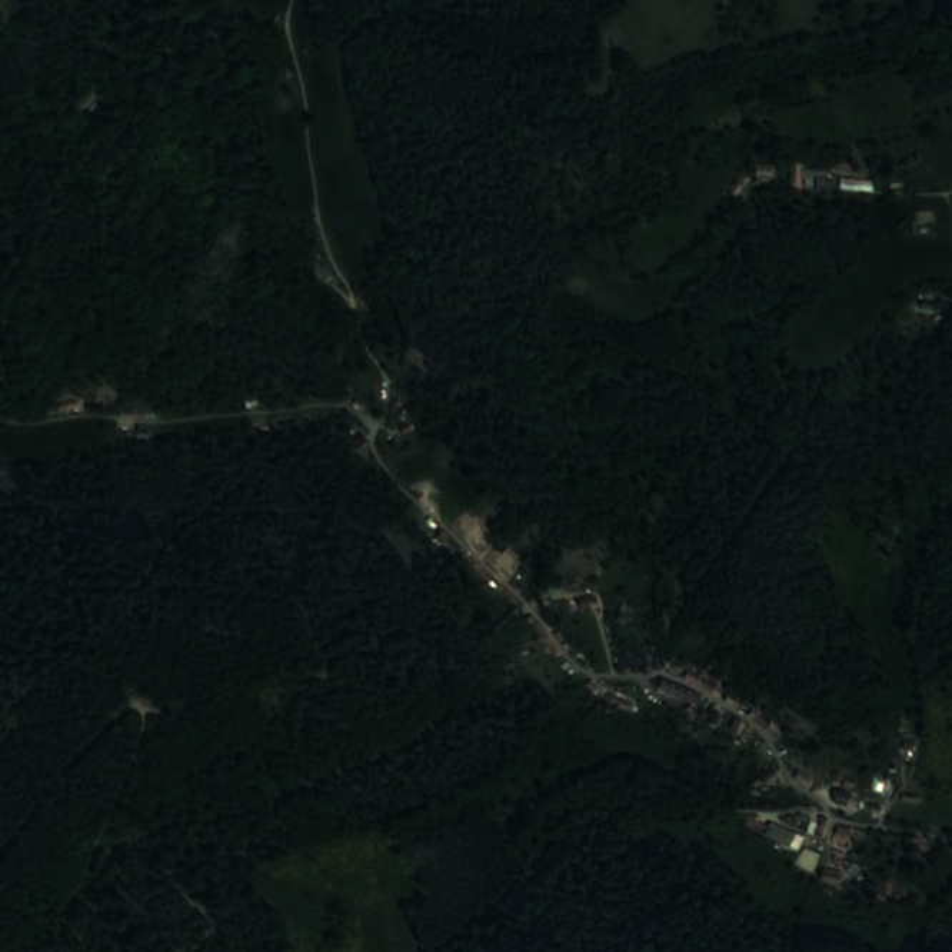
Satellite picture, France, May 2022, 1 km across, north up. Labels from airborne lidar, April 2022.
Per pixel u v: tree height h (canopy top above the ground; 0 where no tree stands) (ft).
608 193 19
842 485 87
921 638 75
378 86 55
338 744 34
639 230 0
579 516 20
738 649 69
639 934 98
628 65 52
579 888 71
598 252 0
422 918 96
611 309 0
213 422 0
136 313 69
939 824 0
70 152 68
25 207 17
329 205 0
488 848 72
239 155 99
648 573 0
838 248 81
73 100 60
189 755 36
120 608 97
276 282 78
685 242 0
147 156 72
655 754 0
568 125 52
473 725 95
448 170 108
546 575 68
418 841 82
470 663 79
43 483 92
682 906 109
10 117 62
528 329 59
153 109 76
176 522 38
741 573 72
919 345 30
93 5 41
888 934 22
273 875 0
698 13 0
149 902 108
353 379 0
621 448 86
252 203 78
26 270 49
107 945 90
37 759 55
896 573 19
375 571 84
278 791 22
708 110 0
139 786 41
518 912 152
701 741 0
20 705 22
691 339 46
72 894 24
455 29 49
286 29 0
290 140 0
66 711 41
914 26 62
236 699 37
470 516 0
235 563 102
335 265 0
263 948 92
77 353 67
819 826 0
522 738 89
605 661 0
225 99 77
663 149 25
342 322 25
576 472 61
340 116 0
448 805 72
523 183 39
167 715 70
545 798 120
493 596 0
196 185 80
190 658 38
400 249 84
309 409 0
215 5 111
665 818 61
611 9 73
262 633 36
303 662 28
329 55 0
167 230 25
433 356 95
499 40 60
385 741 42
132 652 37
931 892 0
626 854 68
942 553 69
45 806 52
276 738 41
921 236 0
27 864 47
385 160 51
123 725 37
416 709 38
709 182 0
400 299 52
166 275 52
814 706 60
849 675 81
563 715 0
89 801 50
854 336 0
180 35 82
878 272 0
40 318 61
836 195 27
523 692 44
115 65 97
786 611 70
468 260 75
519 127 73
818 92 0
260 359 92
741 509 84
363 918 0
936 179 0
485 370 53
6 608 49
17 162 64
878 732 40
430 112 61
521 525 63
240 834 89
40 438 0
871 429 83
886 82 0
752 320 88
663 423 84
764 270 93
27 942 26
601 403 88
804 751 48
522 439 64
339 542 79
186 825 87
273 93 0
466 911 77
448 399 43
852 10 72
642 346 33
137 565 110
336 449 44
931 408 81
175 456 47
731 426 77
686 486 89
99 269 53
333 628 61
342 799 89
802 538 60
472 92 64
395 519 38
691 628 34
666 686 0
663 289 0
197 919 88
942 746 0
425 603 75
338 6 88
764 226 89
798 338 0
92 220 47
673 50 0
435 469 0
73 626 98
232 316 47
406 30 77
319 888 0
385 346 64
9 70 70
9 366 73
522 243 88
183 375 61
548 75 51
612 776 84
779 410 67
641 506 29
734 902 89
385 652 59
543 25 50
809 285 79
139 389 50
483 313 73
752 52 24
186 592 29
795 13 0
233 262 33
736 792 83
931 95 67
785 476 53
